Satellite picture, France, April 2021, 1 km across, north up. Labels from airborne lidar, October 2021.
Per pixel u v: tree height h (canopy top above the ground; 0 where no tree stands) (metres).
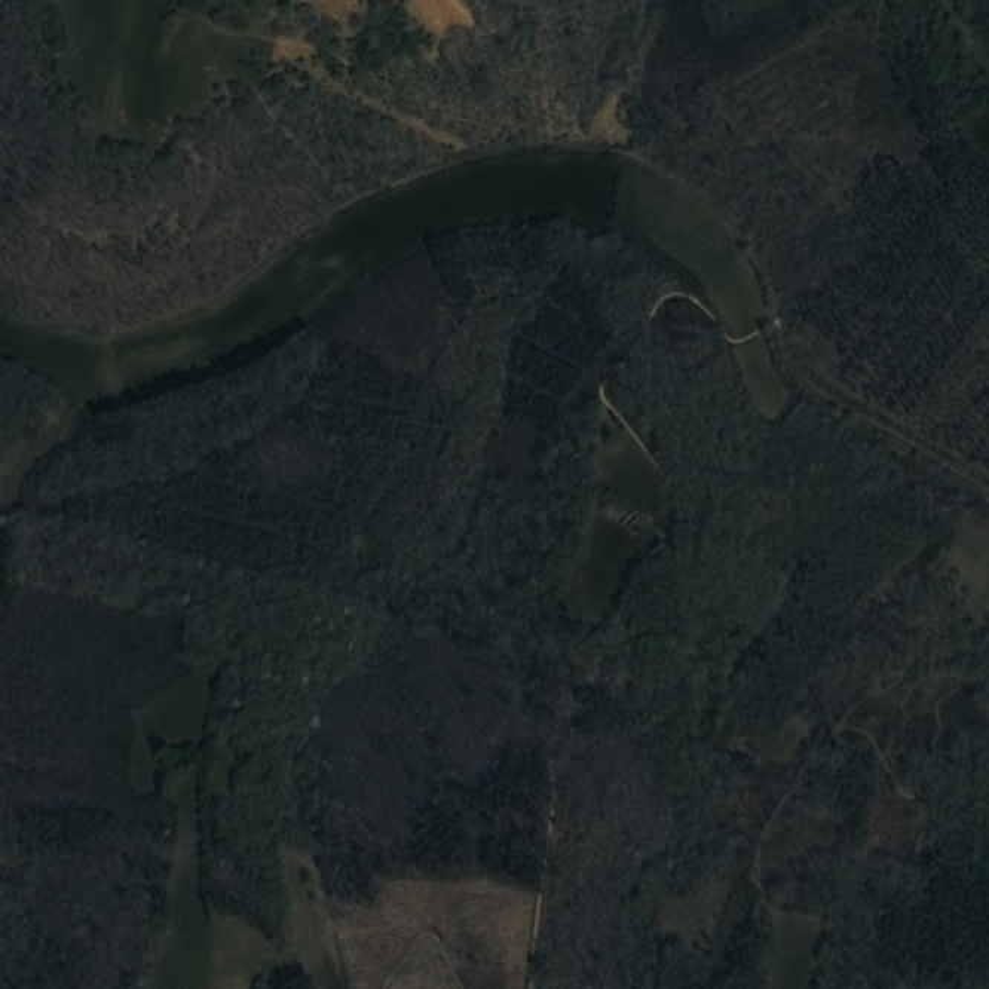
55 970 19
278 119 10
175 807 11
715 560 27
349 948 0
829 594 8
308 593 22
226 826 19
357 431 12
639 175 0
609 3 21
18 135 16
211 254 15
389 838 14
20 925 21
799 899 18
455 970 0
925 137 18
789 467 13
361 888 19
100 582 23
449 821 15
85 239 9
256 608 22
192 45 0
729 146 14
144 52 0
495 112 12
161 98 0
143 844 20
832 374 7
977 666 22
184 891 0
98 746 11
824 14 13
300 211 20
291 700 23
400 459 10
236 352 0
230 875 20
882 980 21
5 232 16
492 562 22
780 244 8
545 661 22
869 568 9
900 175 24
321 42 17
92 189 16
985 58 0
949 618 13
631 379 26
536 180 0
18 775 10
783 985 0
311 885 22
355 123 20
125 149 14
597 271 14
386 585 10
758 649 15
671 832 24
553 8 24
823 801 21
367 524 13
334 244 0
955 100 13
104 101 0
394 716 18
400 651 13
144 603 17
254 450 15
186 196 22
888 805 6
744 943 21
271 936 24
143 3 0
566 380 15
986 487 11
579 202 0
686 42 7
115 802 11
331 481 14
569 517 25
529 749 15
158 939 16
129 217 16
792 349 14
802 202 18
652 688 16
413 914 0
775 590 20
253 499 9
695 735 25
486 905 0
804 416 20
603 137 0
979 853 17
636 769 23
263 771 26
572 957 19
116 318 15
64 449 5
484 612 19
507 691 19
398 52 15
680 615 23
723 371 20
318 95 18
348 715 17
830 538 14
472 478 19
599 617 0
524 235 15
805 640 10
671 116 12
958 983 21
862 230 15
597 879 13
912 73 23
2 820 19
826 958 19
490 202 0
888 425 9
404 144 24
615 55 15
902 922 26
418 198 0
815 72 17
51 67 22
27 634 7
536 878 22
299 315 0
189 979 0
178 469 21
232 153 15
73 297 16
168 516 15
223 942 0
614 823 16
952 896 28
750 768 15
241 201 20
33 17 26
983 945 29
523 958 0
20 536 29
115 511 15
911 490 13
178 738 0
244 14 19
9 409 12
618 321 21
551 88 10
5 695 6
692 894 20
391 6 13
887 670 12
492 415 15
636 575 19
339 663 28
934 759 15
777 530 12
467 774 15
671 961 21
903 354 17
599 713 27
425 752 15
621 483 0
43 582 20
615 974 19
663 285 22
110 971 16
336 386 13
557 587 19
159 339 0
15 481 0
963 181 19
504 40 15
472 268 14
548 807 19
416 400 10
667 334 15
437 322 0
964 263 15
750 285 0
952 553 8
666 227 0
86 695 8
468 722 17
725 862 23
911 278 16
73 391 0
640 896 19
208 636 25
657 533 0
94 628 8
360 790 17
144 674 10
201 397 22
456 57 16
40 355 0
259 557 19
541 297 13
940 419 6
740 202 14
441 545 19
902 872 21
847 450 21
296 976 8
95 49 0
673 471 23
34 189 15
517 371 14
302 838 21
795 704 15
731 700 13
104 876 18
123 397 0
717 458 28
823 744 19
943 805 18
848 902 18
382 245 0
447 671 18
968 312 16
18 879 16
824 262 7
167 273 16
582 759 16
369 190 22
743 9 15
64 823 19
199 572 26
